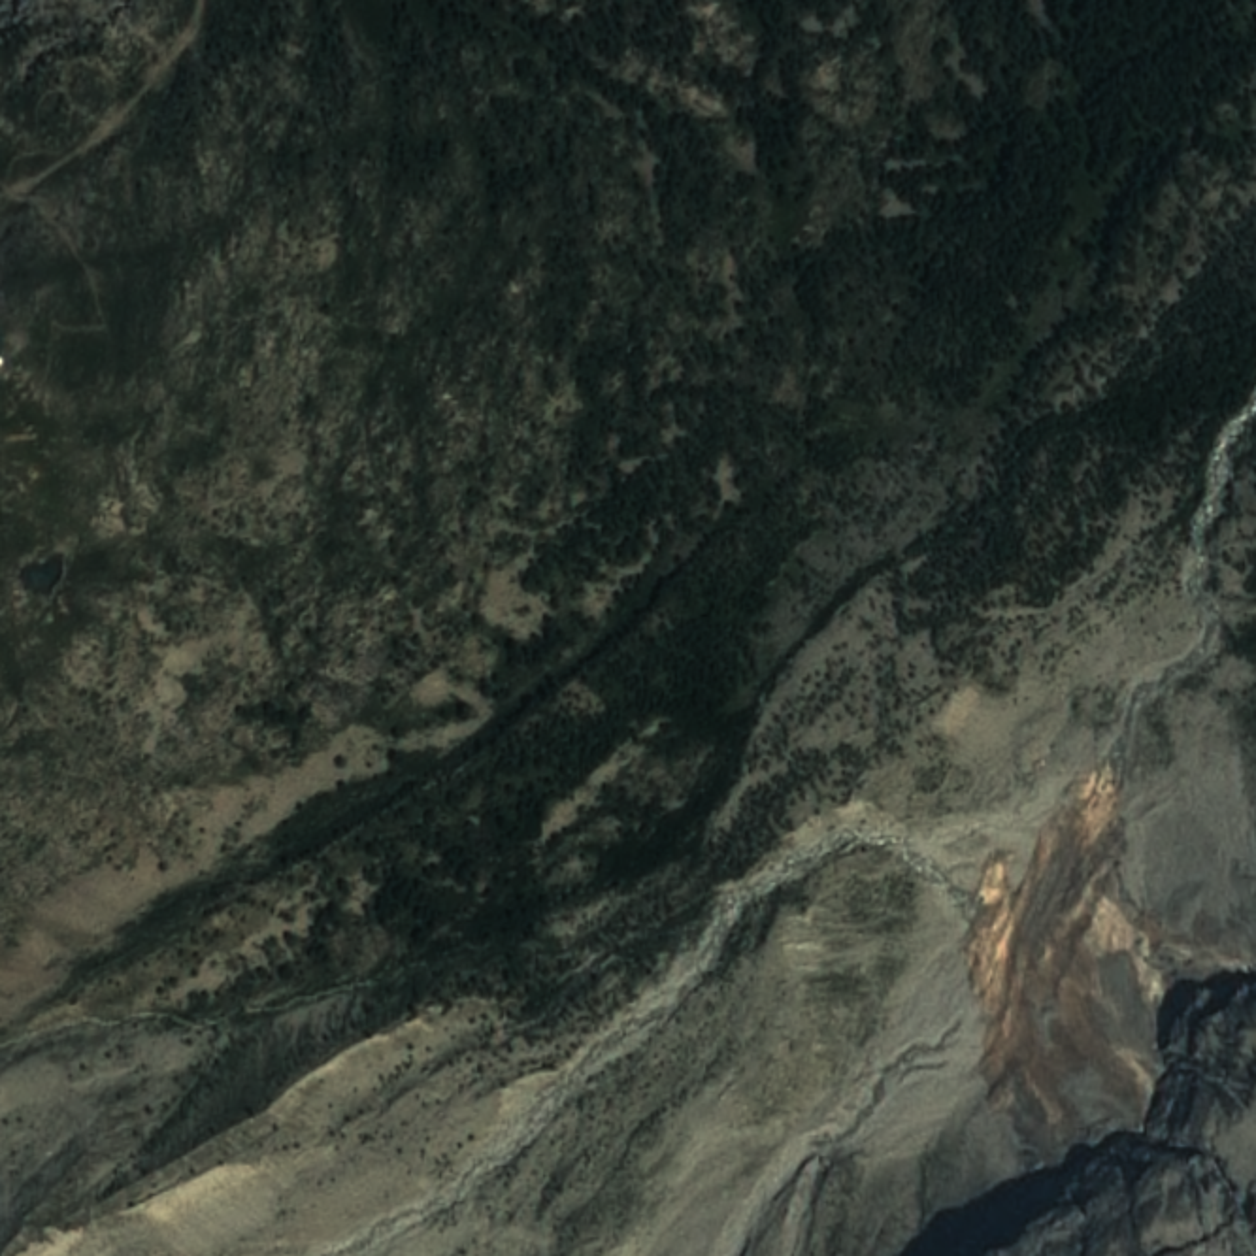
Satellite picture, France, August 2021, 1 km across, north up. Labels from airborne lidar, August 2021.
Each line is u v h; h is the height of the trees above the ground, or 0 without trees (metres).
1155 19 19
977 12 10
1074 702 0
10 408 0
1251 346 8
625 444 7
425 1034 0
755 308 10
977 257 9
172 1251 0
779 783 6
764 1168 0
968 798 0
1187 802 0
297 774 0
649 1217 0
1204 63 13
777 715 8
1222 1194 0
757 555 6
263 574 0
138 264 0
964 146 19
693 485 7
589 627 11
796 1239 0
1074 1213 0
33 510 0
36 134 0
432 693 0
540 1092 0
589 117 10
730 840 7
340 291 0
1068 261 0
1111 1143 0
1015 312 10
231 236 0
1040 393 10
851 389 12
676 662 10
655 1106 0
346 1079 0
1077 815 0
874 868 0
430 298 0
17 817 0
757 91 12
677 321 0
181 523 0
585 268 7
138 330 0
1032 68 8
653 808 8
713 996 0
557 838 12
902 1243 0
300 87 0
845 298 9
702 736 7
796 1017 0
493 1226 0
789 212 0
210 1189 0
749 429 11
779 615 0
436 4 9
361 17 0
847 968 0
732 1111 0
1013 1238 0
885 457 8
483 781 8
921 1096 0
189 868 0
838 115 0
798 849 0
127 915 0
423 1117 0
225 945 0
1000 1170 0
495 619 0
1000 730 0
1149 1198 0
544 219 0
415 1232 0
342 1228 0
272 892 0
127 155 0
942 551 10
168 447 0
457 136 0
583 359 10
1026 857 0
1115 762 0
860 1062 0
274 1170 0
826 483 8
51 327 0
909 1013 0
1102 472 7
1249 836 0
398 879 16
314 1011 0
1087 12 18
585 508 8
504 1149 0
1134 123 18
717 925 0
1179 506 6
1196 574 0
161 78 0
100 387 0
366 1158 0
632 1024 0
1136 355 10
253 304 0
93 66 0
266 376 0
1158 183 9
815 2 8
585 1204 0
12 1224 0
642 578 10
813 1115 0
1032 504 8
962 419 0
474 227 0
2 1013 0
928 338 10
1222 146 19
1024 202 14
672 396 11
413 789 9
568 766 6
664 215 7
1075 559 8
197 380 0
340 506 0
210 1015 0
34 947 0
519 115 6
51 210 0
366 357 0
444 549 6
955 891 0
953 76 13
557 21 9
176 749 0
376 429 0
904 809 0
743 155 0
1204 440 11
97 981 0
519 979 11
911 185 14
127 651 0
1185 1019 0
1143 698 0
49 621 0
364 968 0
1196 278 9
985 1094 0
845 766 7
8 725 0
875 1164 0
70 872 0
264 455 0
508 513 7
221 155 0
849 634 0
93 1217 0
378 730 0
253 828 0
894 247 12
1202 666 0
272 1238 0
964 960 0
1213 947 0
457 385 0
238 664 0
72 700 0
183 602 0
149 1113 8
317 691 0
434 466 0
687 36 6
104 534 0
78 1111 0
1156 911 0
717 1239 0
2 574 0
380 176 0
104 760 0
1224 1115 0
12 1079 0
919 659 0
